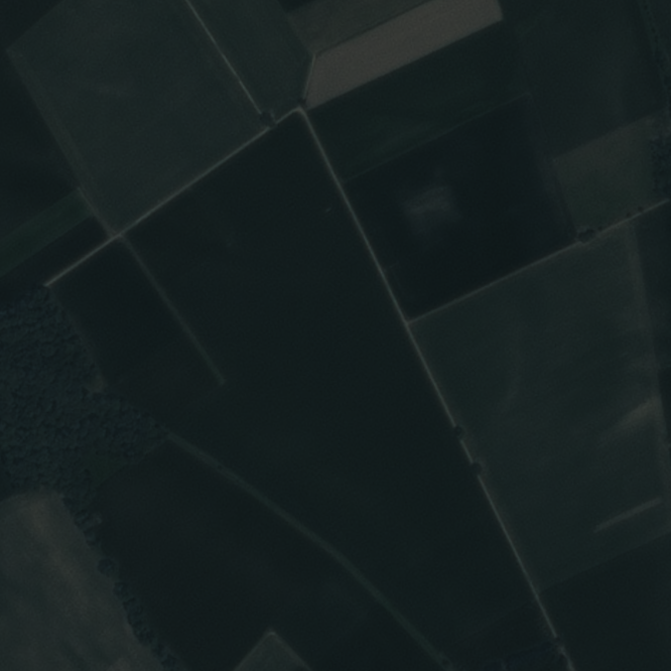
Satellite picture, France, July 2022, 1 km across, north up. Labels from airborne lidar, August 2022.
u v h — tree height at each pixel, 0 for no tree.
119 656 0
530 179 0
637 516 0
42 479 26
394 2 0
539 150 0
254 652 0
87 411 16
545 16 0
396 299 0
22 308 24
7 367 25
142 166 0
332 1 0
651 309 0
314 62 0
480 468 13
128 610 20
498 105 0
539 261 0
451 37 0
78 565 0
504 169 0
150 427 21
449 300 0
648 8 7
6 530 0
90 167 0
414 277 0
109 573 24
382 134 0
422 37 0
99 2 0
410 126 0
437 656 0
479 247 0
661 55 15
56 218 0
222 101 0
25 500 0
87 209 0
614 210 0
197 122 0
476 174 0
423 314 0
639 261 0
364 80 0
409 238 0
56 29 0
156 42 0
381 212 0
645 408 0
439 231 0
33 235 0
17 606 0
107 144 0
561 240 0
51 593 0
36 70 0
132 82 0
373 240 0
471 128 0
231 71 0
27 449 31
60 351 25
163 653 19
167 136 0
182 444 0
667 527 0
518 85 0
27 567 0
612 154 0
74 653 0
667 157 20
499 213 0
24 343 15
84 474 18
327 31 0
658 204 0
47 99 0
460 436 18
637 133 0
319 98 0
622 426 0
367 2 0
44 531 0
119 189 0
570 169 0
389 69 0
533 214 0
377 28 0
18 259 0
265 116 14
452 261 0
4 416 24
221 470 6
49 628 0
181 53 0
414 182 0
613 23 0
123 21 0
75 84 0
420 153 0
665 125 0
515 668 27
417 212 0
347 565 0
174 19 0
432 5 0
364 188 0
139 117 0
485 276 0
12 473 20
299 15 0
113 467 0
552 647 16
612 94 0
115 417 10
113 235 0
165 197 0
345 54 0
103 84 0
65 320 25
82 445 25
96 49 0
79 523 21
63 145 0
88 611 0
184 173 0
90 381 22
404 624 0
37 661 0
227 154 0
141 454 18
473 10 0
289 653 0
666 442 0
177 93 0
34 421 27
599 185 0
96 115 0
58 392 29
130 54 0
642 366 0
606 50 0
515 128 0
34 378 28
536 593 0
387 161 0
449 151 0
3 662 0
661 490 0
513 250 0
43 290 18
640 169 0
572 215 0
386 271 0
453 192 0
